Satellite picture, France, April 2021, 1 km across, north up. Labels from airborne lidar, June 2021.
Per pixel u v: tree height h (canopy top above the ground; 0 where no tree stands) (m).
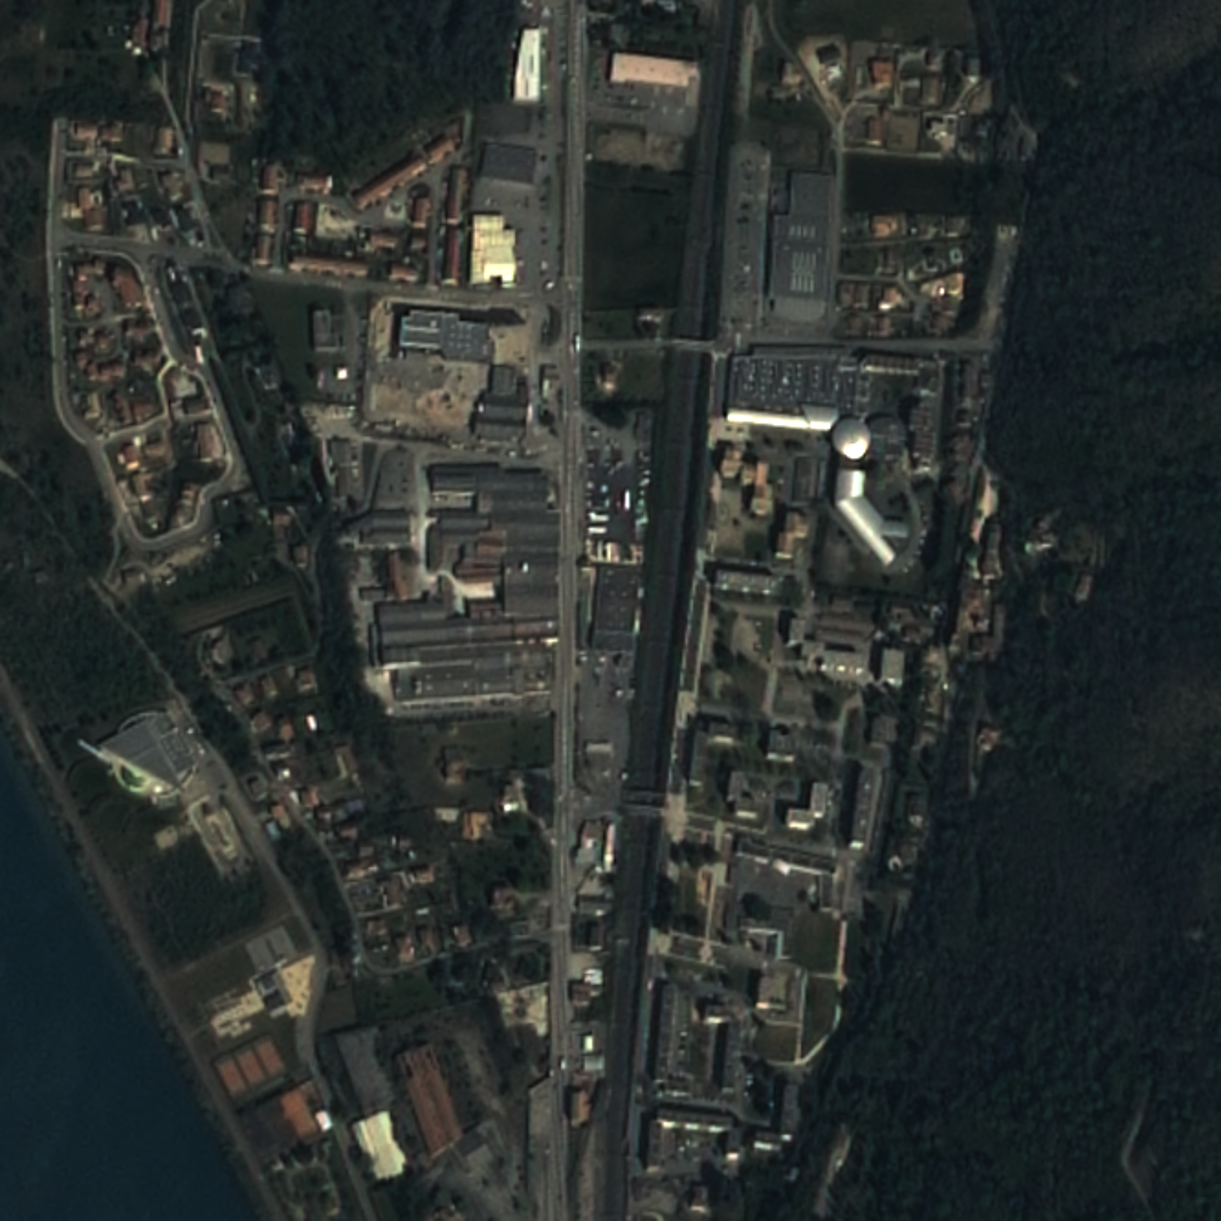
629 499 0
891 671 0
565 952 0
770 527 0
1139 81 12
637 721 6
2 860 0
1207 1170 12
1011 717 29
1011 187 17
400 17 11
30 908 0
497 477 0
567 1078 0
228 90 0
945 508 14
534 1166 0
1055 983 10
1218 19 7
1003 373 14
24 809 0
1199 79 19
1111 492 31
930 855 12
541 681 0
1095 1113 10
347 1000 0
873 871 13
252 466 8
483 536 0
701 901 0
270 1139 0
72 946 0
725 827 0
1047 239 9
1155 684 14
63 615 11
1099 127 18
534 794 16
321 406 0
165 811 0
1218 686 6
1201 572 22
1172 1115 14
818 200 0
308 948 0
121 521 0
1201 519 23
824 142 0
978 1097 18
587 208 0
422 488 0
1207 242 10
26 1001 0
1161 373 12
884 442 0
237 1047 0
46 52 0
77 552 16
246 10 0
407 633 0
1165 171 8
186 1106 0
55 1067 0
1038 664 12
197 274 11
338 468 0
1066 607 12
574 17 0
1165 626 15
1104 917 6
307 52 14
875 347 0
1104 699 12
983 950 11
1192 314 10
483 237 0
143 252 0
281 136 13
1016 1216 17
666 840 0
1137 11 8
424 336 0
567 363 0
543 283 0
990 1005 17
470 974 15
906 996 8
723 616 7
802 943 0
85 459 0
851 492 0
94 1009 0
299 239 7
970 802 7
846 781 12
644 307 0
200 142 0
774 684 0
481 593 0
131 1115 0
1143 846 8
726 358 0
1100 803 16
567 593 0
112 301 0
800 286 0
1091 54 11
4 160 0
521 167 0
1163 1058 18
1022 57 8
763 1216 9
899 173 0
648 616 11
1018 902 13
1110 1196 12
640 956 8
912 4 0
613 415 10
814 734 13
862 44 0
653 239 9
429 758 0
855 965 0
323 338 0
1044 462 6
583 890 0
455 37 21
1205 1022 15
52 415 0
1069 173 7
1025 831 9
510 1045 7
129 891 0
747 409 0
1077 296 19
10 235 9
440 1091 0
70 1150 0
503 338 0
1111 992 7
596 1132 0
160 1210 0
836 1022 0
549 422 8
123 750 0
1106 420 14
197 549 0
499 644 0
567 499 0
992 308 0
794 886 0
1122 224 10
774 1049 0
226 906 7
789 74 0
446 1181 0
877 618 8
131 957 7
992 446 11
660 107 0
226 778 0
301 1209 9
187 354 0
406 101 13
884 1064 13
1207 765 20
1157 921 8
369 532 0
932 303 0
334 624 13
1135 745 14
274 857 0
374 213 0
